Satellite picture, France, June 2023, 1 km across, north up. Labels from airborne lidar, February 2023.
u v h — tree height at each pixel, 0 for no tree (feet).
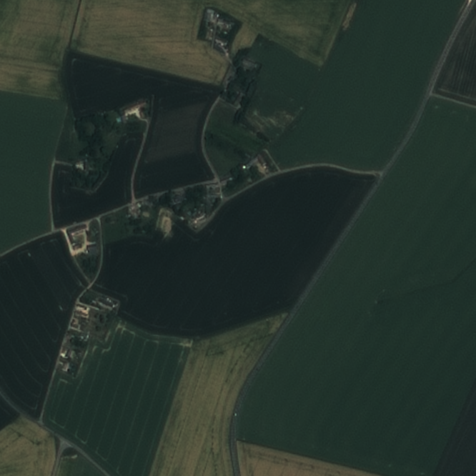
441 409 0
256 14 0
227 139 0
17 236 0
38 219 0
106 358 0
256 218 0
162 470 0
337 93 0
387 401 0
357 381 0
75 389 0
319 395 0
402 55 0
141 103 0
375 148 0
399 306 0
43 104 0
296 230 0
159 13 0
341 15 0
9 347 0
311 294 0
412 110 0
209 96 0
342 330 0
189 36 0
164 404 0
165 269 0
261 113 0
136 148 0
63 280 0
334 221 0
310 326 0
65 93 0
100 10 0
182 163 0
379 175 0
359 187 0
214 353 0
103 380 0
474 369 0
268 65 0
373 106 0
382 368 0
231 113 0
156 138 0
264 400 0
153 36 0
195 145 0
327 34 0
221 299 0
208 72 0
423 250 0
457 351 0
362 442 0
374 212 0
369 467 0
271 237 0
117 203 0
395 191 0
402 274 0
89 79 0
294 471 0
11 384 0
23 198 0
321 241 0
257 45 0
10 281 0
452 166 0
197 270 0
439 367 0
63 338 0
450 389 0
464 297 0
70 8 0
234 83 42
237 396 0
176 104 0
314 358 0
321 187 0
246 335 0
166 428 0
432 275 0
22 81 0
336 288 0
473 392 0
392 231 0
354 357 0
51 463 0
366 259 0
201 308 0
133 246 0
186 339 0
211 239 0
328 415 0
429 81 0
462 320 0
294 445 0
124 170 0
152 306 0
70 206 0
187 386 0
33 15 0
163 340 0
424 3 0
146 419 0
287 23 0
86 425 0
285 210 0
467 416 0
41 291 0
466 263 0
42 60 0
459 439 0
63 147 0
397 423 0
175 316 0
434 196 0
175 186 0
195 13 0
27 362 0
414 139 0
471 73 0
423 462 0
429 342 0
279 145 0
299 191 0
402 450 0
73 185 38
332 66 0
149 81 0
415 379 0
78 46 0
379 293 0
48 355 0
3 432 0
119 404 0
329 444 0
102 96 0
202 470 0
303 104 0
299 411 0
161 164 0
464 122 0
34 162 0
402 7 0
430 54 0
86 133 36
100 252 0
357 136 0
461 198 0
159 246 0
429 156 0
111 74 0
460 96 0
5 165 0
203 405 0
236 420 0
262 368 0
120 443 0
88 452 0
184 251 0
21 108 0
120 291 0
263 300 0
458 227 0
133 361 0
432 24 0
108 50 0
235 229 0
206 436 0
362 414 0
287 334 0
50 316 0
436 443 0
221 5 0
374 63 0
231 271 0
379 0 0
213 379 0
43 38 0
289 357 0
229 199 0
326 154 0
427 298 0
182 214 31
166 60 0
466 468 0
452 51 0
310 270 0
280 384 0
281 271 0
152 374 0
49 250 0
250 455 0
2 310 0
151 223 26
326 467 0
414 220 0
